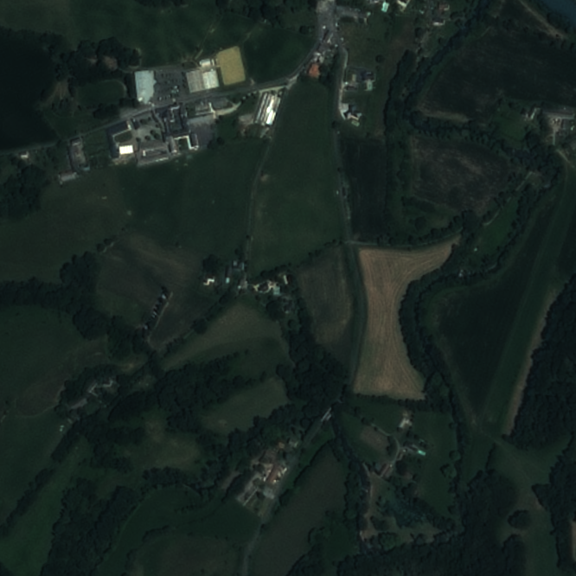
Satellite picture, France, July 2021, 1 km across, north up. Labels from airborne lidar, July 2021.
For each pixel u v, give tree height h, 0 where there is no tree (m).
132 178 0
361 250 0
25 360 0
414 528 9
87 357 0
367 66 0
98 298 0
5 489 0
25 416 0
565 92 0
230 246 0
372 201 0
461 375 0
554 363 29
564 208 0
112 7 0
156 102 0
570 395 25
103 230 0
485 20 21
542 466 0
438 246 0
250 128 0
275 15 30
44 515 0
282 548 0
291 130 0
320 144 0
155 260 0
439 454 0
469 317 0
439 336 0
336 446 18
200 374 23
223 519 0
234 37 0
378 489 0
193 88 0
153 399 16
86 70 23
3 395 0
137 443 14
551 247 0
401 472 15
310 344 29
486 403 0
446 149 0
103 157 0
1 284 11
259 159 0
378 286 0
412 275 0
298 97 0
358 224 0
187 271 0
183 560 0
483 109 0
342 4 6
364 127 0
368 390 0
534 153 19
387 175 7
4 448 0
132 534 0
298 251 0
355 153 0
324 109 0
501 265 15
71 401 12
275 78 0
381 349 0
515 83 0
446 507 0
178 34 0
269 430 27
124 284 0
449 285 13
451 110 0
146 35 0
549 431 27
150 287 0
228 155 0
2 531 18
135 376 9
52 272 0
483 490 25
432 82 0
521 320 0
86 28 0
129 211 0
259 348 0
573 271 0
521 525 26
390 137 19
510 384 0
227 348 0
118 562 0
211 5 0
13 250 0
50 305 18
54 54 24
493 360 0
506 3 0
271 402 0
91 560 37
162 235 0
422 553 22
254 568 0
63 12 0
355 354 0
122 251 0
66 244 0
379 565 27
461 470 7
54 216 0
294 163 0
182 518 0
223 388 18
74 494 24
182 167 0
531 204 21
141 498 38
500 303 0
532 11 0
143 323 7
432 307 0
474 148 0
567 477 31
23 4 0
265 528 15
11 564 0
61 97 0
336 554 0
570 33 19
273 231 0
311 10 11
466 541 23
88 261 18
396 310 0
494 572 23
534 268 0
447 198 0
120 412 18
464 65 0
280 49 0
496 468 0
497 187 0
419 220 11
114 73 14
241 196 0
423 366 27
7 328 0
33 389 0
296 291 9
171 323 0
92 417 14
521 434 28
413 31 0
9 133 0
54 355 0
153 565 0
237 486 19
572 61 0
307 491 0
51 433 0
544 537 0
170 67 0
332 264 0
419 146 0
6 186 11
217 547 0
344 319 0
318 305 0
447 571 21
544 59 0
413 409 14
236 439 31
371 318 0
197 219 0
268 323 0
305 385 17
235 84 0
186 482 18
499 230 0
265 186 0
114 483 0
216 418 0
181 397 32
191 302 0
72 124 0
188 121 0
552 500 23
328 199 0
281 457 10
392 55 0
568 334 26
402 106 26
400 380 0
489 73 0
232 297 12
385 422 0
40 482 14
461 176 0
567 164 0
